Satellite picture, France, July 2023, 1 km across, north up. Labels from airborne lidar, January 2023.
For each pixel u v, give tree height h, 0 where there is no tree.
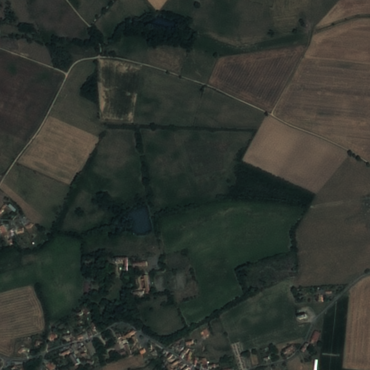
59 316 0
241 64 0
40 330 0
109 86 0
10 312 0
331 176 0
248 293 17
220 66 0
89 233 10
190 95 0
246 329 0
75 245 0
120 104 0
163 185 0
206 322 7
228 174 0
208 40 0
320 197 0
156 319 0
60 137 0
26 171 0
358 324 0
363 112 0
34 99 0
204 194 0
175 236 0
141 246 0
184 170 0
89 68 0
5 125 0
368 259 0
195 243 0
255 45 0
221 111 0
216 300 0
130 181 0
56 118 0
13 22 14
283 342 0
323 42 0
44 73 0
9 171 0
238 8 0
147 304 0
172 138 0
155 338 19
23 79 0
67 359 8
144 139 0
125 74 0
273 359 8
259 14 0
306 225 0
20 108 0
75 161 0
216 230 0
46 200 0
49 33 0
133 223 11
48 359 6
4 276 0
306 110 0
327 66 0
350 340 0
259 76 0
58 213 12
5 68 0
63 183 0
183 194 0
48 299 0
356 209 0
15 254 0
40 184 0
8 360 0
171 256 0
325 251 0
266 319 0
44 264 0
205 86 10
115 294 0
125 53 0
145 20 22
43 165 0
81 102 0
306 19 0
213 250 0
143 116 0
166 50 0
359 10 0
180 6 0
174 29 19
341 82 0
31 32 20
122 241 0
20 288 0
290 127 0
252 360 0
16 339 0
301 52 0
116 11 0
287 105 0
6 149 0
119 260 0
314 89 0
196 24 0
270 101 0
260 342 0
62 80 0
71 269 0
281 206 0
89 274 21
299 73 0
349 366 0
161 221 0
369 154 0
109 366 0
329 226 0
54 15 0
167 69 0
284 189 7
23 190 0
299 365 0
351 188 0
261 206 0
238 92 0
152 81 0
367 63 0
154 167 0
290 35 0
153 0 0
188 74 0
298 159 0
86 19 0
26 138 0
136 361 0
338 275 0
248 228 0
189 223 0
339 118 0
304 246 0
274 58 0
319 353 0
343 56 0
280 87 0
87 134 0
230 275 0
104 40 15
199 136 0
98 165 0
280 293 0
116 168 0
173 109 0
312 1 0
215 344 0
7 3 16
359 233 0
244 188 6
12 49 0
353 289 0
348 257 0
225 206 0
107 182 0
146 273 0
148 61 0
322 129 0
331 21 0
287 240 0
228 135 0
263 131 0
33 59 0
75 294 0
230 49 0
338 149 0
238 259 0
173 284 0
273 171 0
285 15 0
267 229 0
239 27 0
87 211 0
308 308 0
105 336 7
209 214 0
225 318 0
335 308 0
